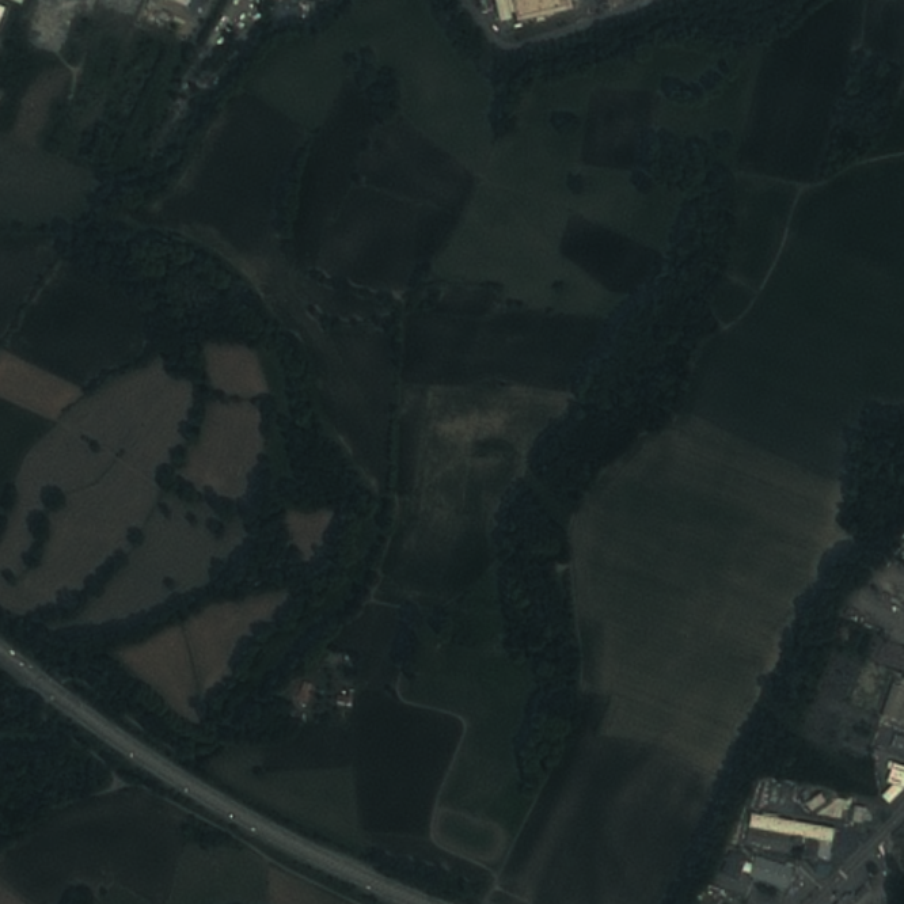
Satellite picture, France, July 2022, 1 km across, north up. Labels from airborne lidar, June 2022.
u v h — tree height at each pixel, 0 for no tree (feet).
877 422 78
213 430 0
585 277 0
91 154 53
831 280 0
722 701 0
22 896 0
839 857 0
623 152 0
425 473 0
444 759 0
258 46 56
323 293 0
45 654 94
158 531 0
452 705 0
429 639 0
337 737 0
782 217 0
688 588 0
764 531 0
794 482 0
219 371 0
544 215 0
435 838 0
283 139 0
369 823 0
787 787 0
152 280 69
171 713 52
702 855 65
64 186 0
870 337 0
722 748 0
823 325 0
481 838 0
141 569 0
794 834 0
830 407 0
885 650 0
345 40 0
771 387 0
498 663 0
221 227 0
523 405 0
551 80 58
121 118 22
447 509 0
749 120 0
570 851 0
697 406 0
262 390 0
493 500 0
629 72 0
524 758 79
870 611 0
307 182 0
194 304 72
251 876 0
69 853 0
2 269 0
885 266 0
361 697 0
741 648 0
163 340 91
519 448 0
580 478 93
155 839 0
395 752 0
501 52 37
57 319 0
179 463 32
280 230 69
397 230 0
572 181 34
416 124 0
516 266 0
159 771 0
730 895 0
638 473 0
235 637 0
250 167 0
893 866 67
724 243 73
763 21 33
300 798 0
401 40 0
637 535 0
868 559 85
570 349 0
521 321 0
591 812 0
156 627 37
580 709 49
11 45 30
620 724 0
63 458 0
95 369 0
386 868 66
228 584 72
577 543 0
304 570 63
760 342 0
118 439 0
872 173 0
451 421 0
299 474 36
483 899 0
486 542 0
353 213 0
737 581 0
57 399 0
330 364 0
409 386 0
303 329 0
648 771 0
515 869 0
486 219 0
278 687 85
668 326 100
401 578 0
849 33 0
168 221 0
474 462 0
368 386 0
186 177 0
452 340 0
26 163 0
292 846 0
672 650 0
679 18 41
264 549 72
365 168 0
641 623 0
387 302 63
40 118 0
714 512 0
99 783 23
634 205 0
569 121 72
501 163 0
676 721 0
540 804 0
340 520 55
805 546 0
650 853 0
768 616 0
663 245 0
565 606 23
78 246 74
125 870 0
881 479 87
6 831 55
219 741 35
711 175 79
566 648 37
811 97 0
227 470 0
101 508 0
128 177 35
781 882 0
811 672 47
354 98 0
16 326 27
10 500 52
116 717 17
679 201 0
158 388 0
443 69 0
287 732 81
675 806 0
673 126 0
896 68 51
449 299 0
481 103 0
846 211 0
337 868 0
